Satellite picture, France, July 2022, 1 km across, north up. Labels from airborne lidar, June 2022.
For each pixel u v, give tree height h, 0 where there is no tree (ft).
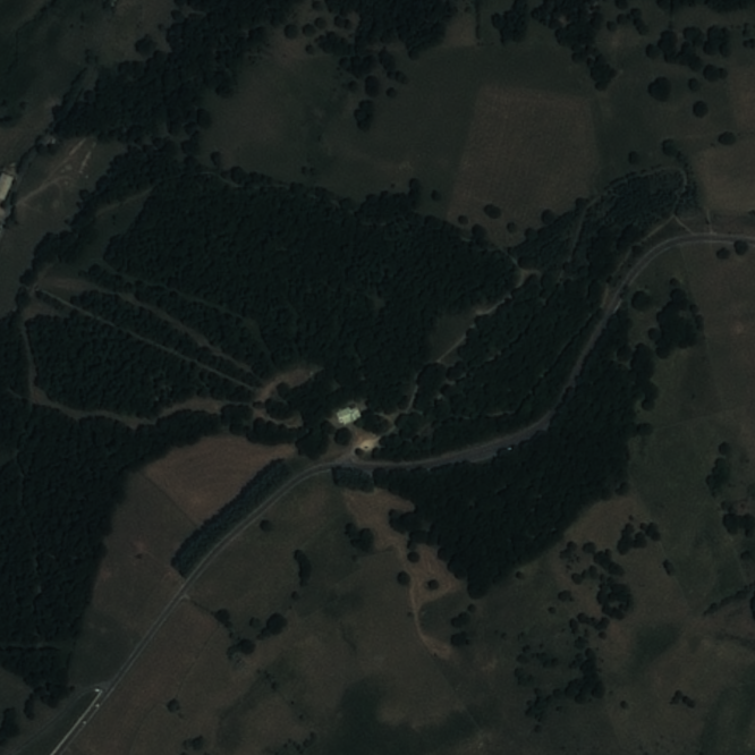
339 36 26
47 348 35
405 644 0
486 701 0
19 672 38
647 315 0
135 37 0
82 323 38
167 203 35
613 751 0
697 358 0
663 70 0
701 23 0
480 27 21
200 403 0
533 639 0
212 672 0
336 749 0
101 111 44
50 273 0
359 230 30
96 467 51
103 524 51
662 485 0
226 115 0
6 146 0
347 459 0
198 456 0
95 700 0
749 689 0
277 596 0
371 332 41
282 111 0
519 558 35
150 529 0
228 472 0
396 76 27
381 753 0
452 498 41
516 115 0
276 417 23
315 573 0
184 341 38
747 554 29
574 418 41
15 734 39
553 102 0
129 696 0
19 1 0
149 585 0
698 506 0
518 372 36
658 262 0
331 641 0
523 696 0
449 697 0
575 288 38
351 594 0
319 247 31
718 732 0
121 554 0
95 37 0
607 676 0
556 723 0
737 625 0
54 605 48
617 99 0
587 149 0
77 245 27
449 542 49
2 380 48
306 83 0
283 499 0
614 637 0
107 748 0
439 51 0
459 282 41
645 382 48
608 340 37
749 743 0
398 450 37
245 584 0
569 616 0
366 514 0
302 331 28
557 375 37
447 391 45
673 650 0
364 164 0
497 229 0
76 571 46
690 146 0
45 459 42
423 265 28
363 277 40
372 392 44
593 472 41
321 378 31
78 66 0
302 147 0
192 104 24
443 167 0
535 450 42
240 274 28
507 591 0
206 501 0
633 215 34
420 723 0
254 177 43
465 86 0
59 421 49
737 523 46
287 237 42
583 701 29
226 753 0
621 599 32
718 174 0
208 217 42
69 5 0
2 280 0
